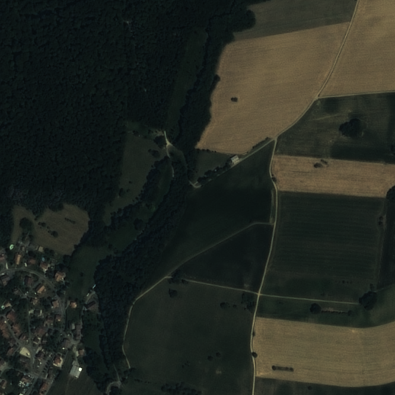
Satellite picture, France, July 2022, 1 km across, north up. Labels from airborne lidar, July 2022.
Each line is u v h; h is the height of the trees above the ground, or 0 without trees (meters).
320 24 0
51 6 24
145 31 26
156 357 0
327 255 0
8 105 28
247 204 0
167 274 0
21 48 28
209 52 19
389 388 0
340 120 0
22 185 27
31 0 17
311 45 0
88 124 28
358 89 0
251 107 0
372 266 0
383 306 0
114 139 29
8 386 0
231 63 0
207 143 0
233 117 0
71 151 28
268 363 0
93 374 27
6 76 30
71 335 10
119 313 27
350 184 0
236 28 18
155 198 22
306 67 0
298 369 0
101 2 30
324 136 0
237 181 0
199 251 0
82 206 21
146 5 24
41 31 32
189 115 25
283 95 0
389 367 0
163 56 16
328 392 0
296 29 0
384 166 0
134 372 14
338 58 0
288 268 0
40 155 24
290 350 0
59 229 0
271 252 0
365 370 0
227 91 0
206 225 0
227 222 0
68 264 11
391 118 0
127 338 0
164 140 15
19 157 26
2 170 20
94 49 24
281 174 0
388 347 0
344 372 0
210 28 19
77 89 29
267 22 0
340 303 0
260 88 0
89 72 30
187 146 19
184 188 14
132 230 0
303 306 0
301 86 0
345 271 0
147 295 0
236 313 0
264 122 0
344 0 0
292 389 0
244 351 0
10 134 30
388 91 0
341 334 0
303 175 0
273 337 0
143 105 20
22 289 5
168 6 22
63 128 25
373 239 0
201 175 0
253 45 0
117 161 16
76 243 0
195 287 0
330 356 0
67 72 27
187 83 0
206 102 16
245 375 0
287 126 0
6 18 24
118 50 30
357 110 0
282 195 0
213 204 0
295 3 0
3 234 18
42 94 27
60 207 21
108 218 0
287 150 0
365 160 0
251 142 0
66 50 29
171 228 21
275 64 0
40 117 28
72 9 27
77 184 28
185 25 12
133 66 25
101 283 30
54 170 27
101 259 0
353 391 0
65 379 0
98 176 27
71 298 7
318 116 0
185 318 0
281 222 0
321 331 0
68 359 0
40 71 26
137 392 0
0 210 23
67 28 30
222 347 0
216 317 0
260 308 0
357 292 0
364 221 0
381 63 0
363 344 0
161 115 17
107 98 29
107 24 24
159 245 27
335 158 0
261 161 0
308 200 0
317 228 0
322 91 0
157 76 24
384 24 0
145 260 26
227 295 0
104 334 14
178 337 0
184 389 9
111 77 28
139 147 0
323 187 0
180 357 0
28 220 7
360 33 0
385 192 0
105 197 27
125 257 19
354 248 0
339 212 0
